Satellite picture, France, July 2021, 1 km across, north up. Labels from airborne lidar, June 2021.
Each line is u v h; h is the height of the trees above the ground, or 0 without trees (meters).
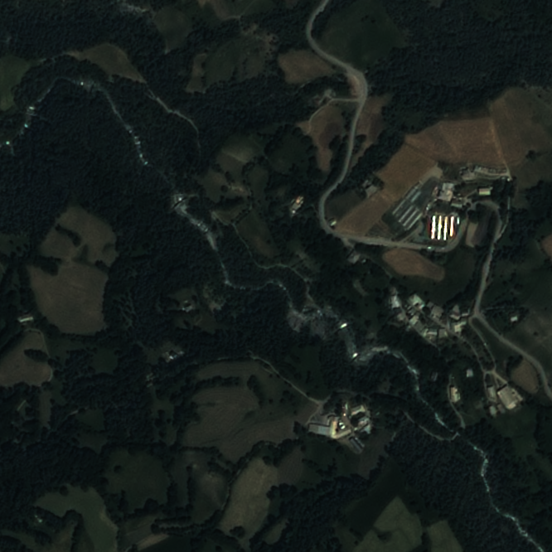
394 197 0
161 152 7
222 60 0
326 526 18
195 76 0
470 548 15
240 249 10
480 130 0
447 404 12
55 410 15
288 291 7
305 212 8
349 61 0
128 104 11
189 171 15
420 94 7
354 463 0
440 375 8
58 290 0
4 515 24
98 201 23
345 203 0
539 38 10
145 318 18
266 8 0
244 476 0
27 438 20
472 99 17
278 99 13
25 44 12
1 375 0
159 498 0
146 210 21
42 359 13
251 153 0
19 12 7
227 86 6
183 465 0
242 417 0
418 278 0
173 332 14
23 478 20
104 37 10
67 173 17
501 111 0
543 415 13
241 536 10
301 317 0
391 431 8
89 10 12
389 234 0
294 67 0
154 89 16
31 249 11
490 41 13
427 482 24
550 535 20
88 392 17
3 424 21
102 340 14
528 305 0
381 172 0
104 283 0
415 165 0
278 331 17
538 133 0
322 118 0
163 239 21
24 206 16
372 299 0
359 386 10
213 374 0
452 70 11
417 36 7
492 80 16
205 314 0
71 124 16
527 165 0
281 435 0
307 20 7
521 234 11
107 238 0
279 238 14
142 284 20
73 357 13
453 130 0
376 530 0
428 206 0
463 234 0
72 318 0
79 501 0
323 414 0
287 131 12
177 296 0
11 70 0
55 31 17
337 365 18
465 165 0
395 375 16
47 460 22
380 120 0
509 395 0
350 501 12
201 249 16
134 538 0
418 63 11
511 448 15
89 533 0
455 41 13
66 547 0
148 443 7
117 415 21
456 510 11
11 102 0
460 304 9
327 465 0
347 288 16
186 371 19
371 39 0
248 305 11
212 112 13
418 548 0
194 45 11
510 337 0
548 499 21
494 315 7
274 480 0
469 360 11
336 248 16
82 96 14
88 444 0
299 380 10
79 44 18
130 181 12
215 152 10
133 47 13
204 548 15
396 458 21
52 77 14
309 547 20
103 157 11
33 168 25
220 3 0
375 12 0
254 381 9
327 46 0
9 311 19
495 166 0
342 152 9
